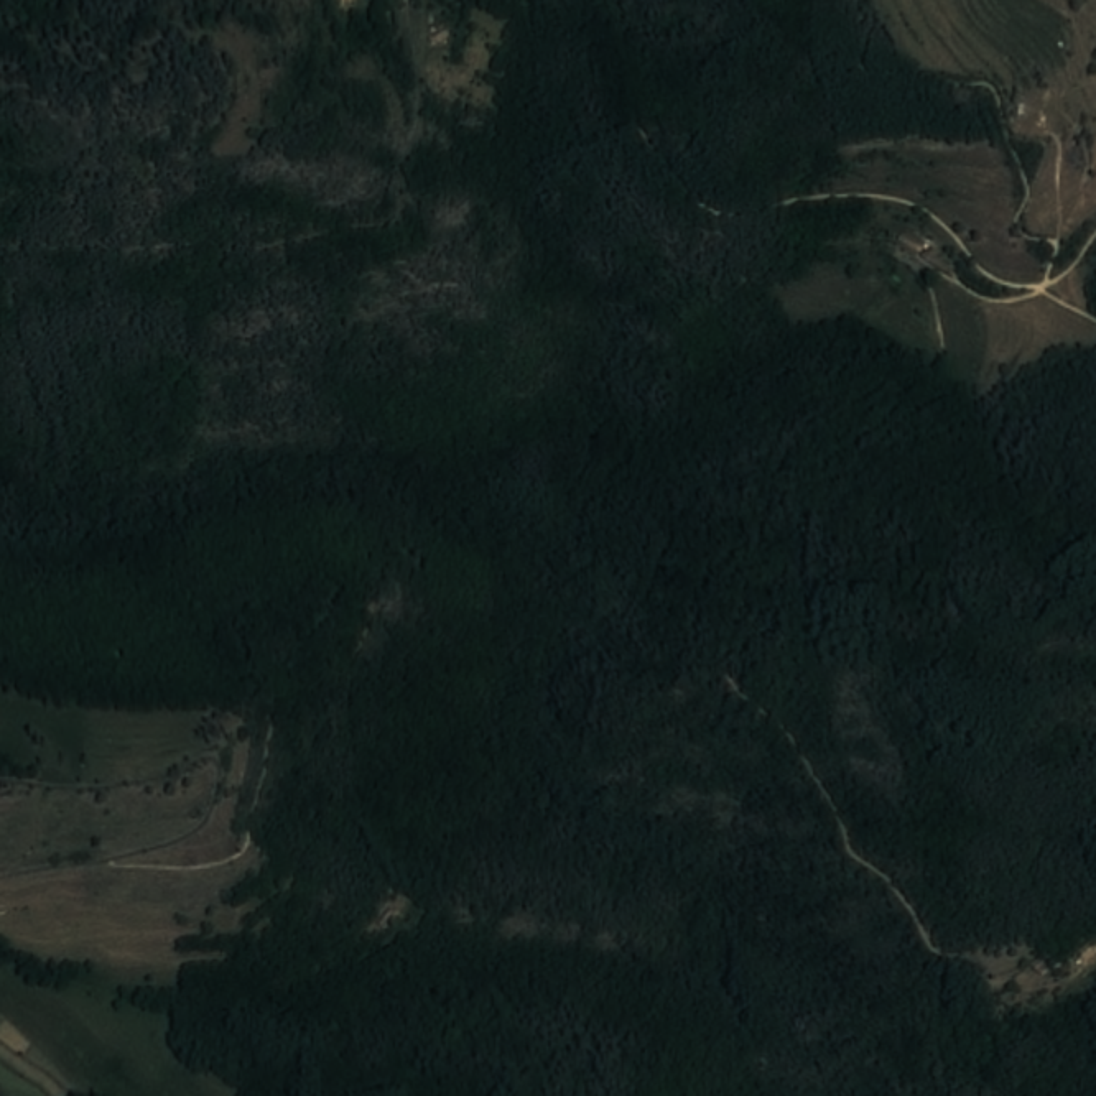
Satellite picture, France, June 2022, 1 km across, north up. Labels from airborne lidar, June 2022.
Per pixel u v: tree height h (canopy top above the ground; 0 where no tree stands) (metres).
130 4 20
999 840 19
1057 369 6
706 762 5
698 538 20
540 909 8
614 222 19
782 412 17
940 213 0
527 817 25
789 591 18
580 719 8
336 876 16
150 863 0
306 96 10
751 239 15
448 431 21
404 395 16
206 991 21
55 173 9
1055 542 10
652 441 20
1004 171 0
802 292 0
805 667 7
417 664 23
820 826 8
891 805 7
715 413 31
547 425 17
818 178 13
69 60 10
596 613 11
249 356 11
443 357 10
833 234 11
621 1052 17
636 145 17
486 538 24
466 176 13
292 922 12
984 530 8
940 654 7
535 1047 20
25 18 12
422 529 20
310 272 18
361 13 17
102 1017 0
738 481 18
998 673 12
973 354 0
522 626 21
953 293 0
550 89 18
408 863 22
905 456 12
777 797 12
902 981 6
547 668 16
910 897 8
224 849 0
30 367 15
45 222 20
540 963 25
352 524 19
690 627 16
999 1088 7
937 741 27
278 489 26
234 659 17
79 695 21
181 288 11
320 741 17
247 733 9
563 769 14
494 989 20
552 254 21
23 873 0
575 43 20
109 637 20
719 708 6
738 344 13
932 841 14
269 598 15
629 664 14
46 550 30
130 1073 0
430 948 18
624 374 16
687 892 15
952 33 0
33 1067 0
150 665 18
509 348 10
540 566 26
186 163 12
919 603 9
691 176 21
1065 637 7
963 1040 16
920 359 22
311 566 21
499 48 11
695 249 8
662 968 14
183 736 0
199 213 15
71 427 25
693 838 13
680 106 13
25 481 23
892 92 23
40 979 20
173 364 14
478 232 14
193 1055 21
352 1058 18
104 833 0
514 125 21
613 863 16
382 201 6
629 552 29
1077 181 0
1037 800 21
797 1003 10
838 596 33
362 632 7
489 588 17
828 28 22
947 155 0
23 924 0
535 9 13
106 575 21
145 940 0
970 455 12
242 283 15
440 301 9
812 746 8
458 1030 21
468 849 20
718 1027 24
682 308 13
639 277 13
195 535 20
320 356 13
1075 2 10
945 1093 19
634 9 12
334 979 22
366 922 15
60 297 10
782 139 15
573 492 28
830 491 11
